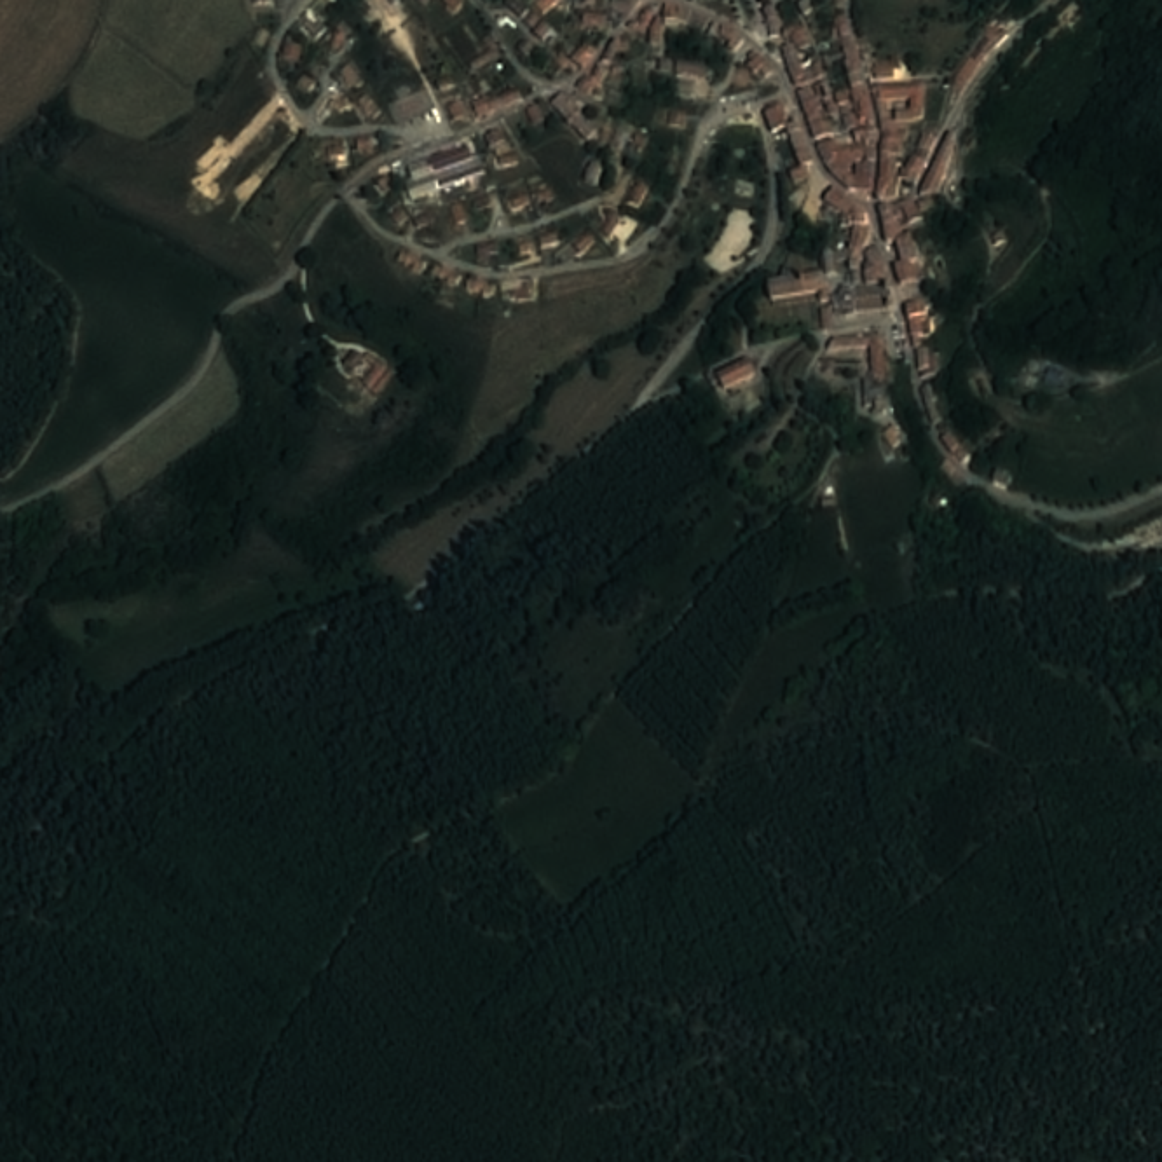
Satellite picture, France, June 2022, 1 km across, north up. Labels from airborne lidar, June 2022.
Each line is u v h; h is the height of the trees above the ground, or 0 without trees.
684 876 18
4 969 14
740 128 0
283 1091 15
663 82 12
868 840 13
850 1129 19
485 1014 17
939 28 0
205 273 0
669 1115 12
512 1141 13
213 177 0
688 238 12
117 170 0
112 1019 11
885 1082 20
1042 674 11
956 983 7
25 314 18
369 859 10
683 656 14
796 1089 14
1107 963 10
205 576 0
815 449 6
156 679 20
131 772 9
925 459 8
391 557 0
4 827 18
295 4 0
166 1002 13
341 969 12
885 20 0
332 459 0
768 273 11
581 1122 8
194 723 12
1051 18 11
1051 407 15
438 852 6
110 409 0
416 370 18
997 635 14
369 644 21
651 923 17
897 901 7
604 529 14
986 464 20
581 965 14
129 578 16
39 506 11
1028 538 14
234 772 8
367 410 0
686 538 14
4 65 0
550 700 14
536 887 16
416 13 0
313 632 14
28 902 16
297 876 12
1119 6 11
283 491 0
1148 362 0
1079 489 0
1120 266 25
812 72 0
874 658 7
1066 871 10
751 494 12
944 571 17
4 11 0
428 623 24
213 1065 11
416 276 0
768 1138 10
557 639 0
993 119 13
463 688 28
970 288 8
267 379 0
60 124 14
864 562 0
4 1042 17
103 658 0
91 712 17
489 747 24
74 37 0
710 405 16
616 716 0
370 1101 14
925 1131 13
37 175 0
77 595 17
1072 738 9
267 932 13
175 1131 11
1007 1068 20
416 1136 13
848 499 0
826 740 15
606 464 13
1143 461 0
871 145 0
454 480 17
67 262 0
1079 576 30
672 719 15
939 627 11
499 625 33
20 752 10
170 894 13
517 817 0
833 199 0
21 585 18
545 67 12
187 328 0
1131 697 11
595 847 0
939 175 0
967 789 9
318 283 0
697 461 15
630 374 0
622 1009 16
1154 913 16
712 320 12
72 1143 14
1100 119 18
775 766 10
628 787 0
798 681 9
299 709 21
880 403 0
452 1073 12
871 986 13
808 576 0
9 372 19
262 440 7
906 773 23
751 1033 13
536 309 0
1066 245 25
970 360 9
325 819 11
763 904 13
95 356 0
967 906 10
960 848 10
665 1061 23
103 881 14
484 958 12
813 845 12
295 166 7
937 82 9
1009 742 8
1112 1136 13
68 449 0
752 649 13
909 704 7
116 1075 11
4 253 20
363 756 18
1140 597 12
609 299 0
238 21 0
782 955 18
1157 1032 19
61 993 13
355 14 0
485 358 0
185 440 0
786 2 10
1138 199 18
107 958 12
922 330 0
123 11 0
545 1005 9
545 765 18
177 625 0
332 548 9
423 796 18
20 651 19
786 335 10
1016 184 27
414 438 8
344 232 0
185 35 0
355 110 0
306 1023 12
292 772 12
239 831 15
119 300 0
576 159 0
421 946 11
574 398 0
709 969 18
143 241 0
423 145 0
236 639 14
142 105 0
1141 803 10
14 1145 12
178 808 15
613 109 7
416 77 0
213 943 11
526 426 10
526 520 11
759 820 13
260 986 15
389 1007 14
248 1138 11
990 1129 16
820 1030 10
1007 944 11
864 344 0
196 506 12
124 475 0
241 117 0
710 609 15
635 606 13
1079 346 10
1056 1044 14
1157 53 26
